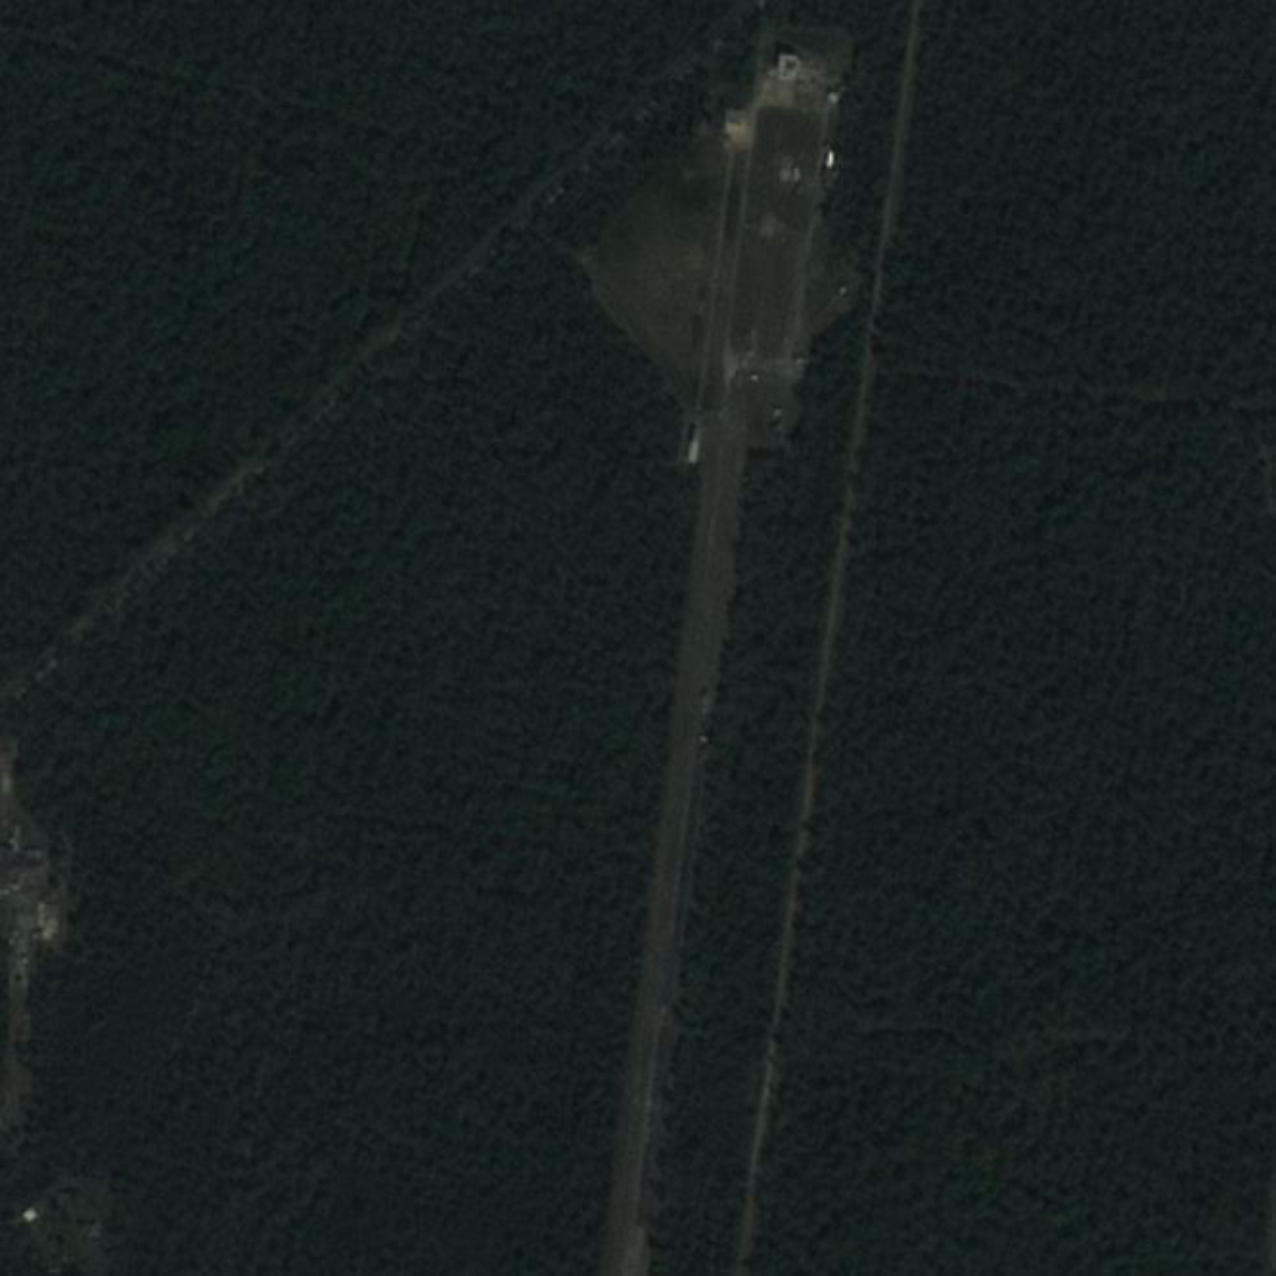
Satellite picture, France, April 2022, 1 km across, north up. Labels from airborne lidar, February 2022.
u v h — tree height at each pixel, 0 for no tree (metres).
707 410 0
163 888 13
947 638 18
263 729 14
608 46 17
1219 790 18
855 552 15
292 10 19
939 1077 18
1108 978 16
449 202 17
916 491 19
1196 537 10
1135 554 12
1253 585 13
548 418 15
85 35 16
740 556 17
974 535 12
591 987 17
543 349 14
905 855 11
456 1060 20
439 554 17
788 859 14
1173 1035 19
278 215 22
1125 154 16
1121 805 17
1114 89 16
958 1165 20
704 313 0
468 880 17
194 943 12
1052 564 18
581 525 16
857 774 15
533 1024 19
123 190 16
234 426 17
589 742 16
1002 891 18
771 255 0
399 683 14
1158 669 13
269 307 17
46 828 14
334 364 16
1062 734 14
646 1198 0
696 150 0
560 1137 8
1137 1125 17
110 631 18
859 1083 16
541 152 15
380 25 19
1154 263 8
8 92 17
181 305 18
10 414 16
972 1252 18
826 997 15
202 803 15
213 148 17
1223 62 15
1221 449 18
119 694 16
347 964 14
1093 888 14
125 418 21
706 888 16
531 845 17
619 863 17
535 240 16
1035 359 18
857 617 16
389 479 16
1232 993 17
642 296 0
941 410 15
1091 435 20
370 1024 17
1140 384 22
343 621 15
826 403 14
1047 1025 10
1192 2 18
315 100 17
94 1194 0
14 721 17
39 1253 10
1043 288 18
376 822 14
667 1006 0
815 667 14
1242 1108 7
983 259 15
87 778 15
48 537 15
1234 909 18
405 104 17
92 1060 7
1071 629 13
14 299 12
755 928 14
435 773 14
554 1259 17
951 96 12
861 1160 20
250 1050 14
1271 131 16
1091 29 10
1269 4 17
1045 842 17
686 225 0
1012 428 18
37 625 13
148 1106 8
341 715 16
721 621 0
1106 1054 18
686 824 0
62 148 14
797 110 0
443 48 16
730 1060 10
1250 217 18
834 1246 20
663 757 7
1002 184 17
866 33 10
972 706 7
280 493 15
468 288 12
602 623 15
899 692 15
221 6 16
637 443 17
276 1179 17
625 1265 0
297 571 13
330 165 21
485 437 20
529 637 11
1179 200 22
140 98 16
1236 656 15
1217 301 17
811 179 0
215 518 18
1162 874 20
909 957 14
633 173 16
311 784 13
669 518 12
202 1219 16
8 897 0
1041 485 9
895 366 19
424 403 18
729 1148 7
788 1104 17
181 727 16
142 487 10
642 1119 0
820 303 0
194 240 18
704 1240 13
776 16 15
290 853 8
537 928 12
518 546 13
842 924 13
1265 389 18
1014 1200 19
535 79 17
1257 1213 16
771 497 17
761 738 13
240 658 17
